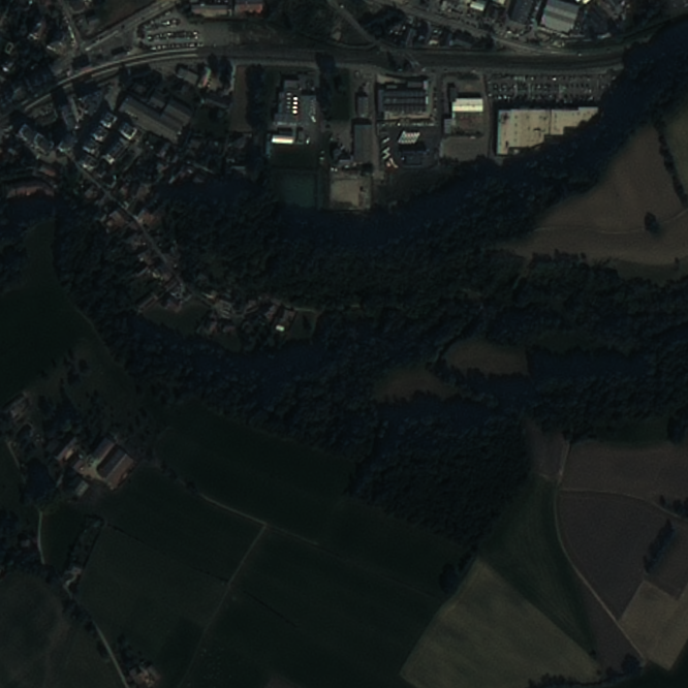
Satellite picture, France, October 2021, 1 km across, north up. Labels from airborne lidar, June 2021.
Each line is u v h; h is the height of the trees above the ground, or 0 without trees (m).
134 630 0
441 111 0
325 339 17
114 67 0
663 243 0
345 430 16
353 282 19
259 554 0
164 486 0
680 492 0
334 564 0
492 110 0
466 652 0
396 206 0
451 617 0
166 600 0
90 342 0
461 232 26
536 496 0
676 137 0
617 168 0
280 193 0
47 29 15
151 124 0
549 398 19
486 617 0
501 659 0
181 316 0
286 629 0
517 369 0
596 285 22
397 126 0
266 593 0
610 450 0
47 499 34
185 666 0
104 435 8
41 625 0
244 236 19
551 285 17
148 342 29
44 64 9
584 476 0
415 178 0
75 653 0
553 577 0
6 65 0
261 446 0
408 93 0
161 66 0
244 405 24
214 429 0
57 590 11
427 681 0
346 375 17
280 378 30
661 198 0
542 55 0
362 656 0
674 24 0
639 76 17
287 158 0
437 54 0
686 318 23
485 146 0
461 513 20
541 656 0
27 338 0
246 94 0
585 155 12
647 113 18
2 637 0
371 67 0
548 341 0
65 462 5
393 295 20
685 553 0
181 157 6
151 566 0
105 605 0
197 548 0
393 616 0
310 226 17
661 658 0
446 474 22
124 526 0
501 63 0
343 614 0
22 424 0
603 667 0
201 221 16
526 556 0
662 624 0
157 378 19
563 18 0
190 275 7
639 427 0
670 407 18
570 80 0
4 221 20
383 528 0
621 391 30
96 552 0
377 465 23
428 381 0
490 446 24
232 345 0
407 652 0
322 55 0
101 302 24
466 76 0
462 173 7
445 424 24
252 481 0
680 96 18
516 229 14
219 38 0
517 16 0
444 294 23
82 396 0
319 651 0
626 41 0
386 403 0
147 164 8
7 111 16
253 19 7
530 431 0
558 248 0
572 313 22
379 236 0
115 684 0
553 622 0
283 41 0
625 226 0
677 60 19
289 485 0
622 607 0
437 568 0
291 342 0
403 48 8
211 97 0
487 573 0
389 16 6
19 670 0
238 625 0
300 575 0
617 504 0
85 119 0
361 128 0
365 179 0
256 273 14
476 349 0
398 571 0
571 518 0
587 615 0
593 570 0
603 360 0
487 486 22
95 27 0
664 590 0
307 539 0
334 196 0
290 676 0
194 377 20
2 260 8
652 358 24
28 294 0
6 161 9
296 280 19
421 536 0
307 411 30
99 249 21
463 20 0
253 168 22
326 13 0
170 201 10
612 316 9
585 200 0
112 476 0
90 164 0
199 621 0
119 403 0
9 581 0
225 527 0
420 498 23
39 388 0
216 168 19
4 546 11
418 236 25
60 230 13
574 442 8
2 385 0
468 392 16
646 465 0
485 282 20
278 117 0
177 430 0
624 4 0
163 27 0
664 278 0
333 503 0
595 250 0
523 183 21
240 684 0
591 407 27
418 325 22
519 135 0
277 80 0
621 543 0
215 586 0
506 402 16
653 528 0
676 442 13
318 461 0
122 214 0
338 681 0
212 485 0
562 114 0
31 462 0
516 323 11
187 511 0
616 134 11
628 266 0
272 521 0
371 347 24
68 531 0
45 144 0
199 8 0
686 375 28
